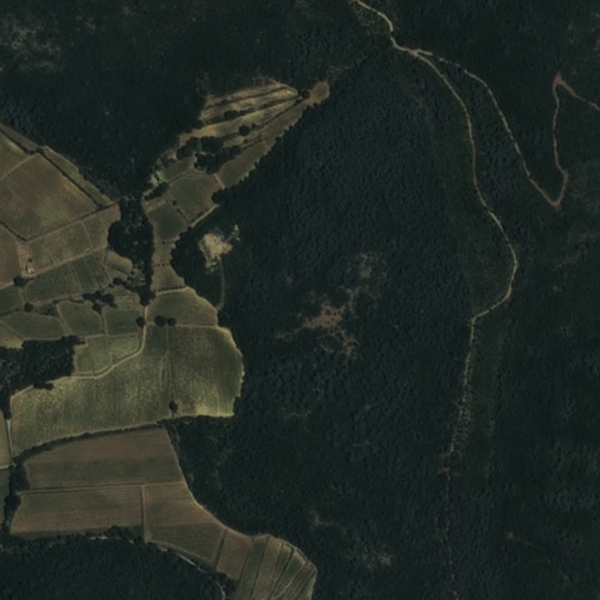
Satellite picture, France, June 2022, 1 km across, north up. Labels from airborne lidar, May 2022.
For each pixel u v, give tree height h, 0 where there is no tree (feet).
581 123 29
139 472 0
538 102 35
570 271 25
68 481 0
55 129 32
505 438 30
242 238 28
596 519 50
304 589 0
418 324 53
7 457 0
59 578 45
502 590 25
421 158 48
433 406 35
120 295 0
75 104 18
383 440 48
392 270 24
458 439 23
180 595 34
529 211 35
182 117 56
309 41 47
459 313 55
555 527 48
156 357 0
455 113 17
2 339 0
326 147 55
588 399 31
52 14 20
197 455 24
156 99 31
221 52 40
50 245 0
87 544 43
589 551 31
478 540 66
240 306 30
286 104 0
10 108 79
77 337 32
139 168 44
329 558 20
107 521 0
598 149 28
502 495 42
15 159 0
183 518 0
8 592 60
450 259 50
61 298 0
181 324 0
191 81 29
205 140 40
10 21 0
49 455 0
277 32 22
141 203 32
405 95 48
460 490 40
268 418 26
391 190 43
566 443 19
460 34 38
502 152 59
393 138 46
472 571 64
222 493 36
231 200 49
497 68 31
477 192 29
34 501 0
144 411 0
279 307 19
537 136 61
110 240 35
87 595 28
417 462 31
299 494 33
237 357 0
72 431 0
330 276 51
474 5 43
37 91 25
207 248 0
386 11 24
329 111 45
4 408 33
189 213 0
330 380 44
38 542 27
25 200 0
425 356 29
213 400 0
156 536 0
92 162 33
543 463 42
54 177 0
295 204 53
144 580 29
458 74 66
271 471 18
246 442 25
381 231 43
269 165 37
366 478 25
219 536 0
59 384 0
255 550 0
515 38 30
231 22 22
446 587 55
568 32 21
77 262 0
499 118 18
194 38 32
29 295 0
